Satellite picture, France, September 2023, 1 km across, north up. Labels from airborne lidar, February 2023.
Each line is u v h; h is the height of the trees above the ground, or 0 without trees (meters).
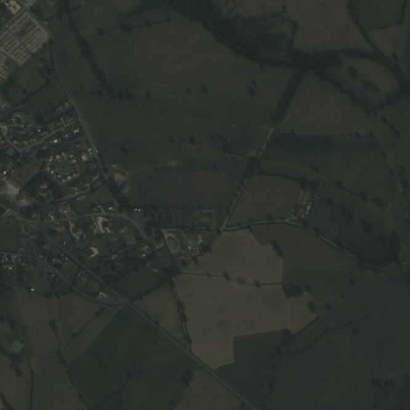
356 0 0
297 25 12
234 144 0
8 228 0
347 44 0
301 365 0
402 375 0
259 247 0
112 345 0
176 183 0
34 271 0
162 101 0
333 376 0
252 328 0
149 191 0
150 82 0
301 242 0
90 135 0
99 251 0
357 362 0
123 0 0
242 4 0
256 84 12
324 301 0
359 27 11
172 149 0
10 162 0
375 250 0
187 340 14
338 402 0
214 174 0
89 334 0
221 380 0
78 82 0
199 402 0
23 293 0
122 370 0
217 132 0
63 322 0
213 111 0
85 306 0
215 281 0
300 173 0
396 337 0
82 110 0
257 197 0
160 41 0
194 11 0
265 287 0
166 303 0
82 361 0
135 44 0
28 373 0
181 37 0
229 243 0
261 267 0
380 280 0
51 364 0
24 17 0
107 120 0
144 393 0
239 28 0
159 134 0
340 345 0
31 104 0
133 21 0
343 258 0
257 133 0
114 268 11
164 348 0
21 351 0
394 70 12
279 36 0
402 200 0
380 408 0
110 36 0
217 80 0
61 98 0
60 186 0
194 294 0
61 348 0
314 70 15
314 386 0
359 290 0
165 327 0
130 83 0
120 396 0
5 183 0
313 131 0
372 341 0
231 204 7
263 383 0
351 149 0
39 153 10
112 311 0
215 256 0
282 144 0
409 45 0
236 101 0
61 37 0
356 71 0
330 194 0
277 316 0
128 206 15
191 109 0
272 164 0
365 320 0
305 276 0
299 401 0
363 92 0
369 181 0
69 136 0
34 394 0
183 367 0
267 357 0
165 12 0
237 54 14
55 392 0
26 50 0
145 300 0
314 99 0
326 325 0
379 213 0
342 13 0
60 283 0
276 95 0
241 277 0
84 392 0
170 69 0
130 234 0
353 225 0
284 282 0
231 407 0
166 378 0
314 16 0
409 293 0
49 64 0
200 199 0
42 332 0
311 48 0
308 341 0
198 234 0
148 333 0
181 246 0
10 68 0
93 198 0
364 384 0
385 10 0
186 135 0
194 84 0
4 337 0
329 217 0
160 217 10
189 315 0
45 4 0
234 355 0
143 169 0
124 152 14
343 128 0
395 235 16
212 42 0
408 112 0
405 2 7
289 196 0
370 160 0
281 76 0
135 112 0
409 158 0
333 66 0
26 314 0
